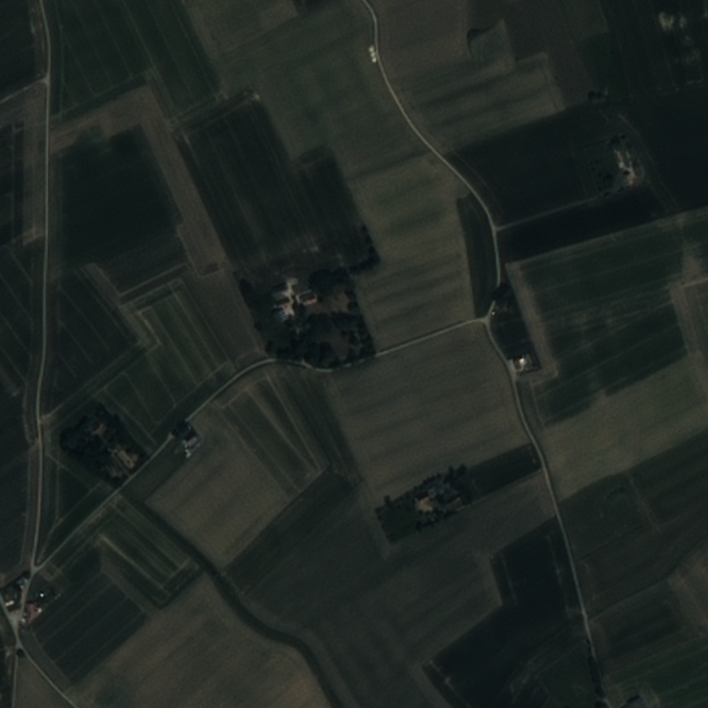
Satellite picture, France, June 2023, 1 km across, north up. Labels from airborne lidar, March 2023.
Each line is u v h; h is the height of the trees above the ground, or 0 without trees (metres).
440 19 0
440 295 0
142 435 0
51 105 0
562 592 0
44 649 0
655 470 0
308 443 0
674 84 0
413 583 0
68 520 0
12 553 0
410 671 0
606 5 0
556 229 0
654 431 0
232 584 0
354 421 0
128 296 0
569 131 0
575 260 0
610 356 0
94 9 0
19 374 0
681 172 0
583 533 0
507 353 0
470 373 0
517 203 0
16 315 0
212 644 0
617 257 0
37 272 0
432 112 0
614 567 0
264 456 0
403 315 0
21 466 0
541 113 0
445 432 0
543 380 0
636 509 0
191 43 0
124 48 0
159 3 0
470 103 0
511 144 0
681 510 0
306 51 0
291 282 0
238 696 0
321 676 0
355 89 0
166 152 0
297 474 0
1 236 0
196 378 0
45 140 0
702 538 0
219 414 0
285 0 0
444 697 0
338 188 0
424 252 0
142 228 0
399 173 0
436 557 0
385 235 0
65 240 0
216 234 0
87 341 0
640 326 0
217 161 0
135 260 0
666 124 0
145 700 0
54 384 0
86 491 0
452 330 0
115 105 0
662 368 0
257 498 0
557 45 0
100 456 10
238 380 0
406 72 0
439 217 0
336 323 16
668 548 0
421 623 0
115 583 0
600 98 9
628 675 0
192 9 0
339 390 0
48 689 0
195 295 0
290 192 0
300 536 0
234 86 0
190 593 0
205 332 0
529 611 0
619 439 0
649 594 0
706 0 0
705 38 0
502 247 0
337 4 0
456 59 0
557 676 0
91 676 0
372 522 0
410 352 0
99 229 0
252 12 0
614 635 0
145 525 0
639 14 0
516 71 0
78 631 0
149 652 0
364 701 0
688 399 0
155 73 0
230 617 0
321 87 0
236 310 0
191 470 0
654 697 0
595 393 0
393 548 0
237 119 0
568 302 0
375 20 0
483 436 0
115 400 0
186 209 0
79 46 0
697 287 0
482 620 0
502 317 0
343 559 0
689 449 0
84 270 0
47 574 0
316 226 0
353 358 14
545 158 0
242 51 0
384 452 0
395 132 0
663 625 0
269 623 0
